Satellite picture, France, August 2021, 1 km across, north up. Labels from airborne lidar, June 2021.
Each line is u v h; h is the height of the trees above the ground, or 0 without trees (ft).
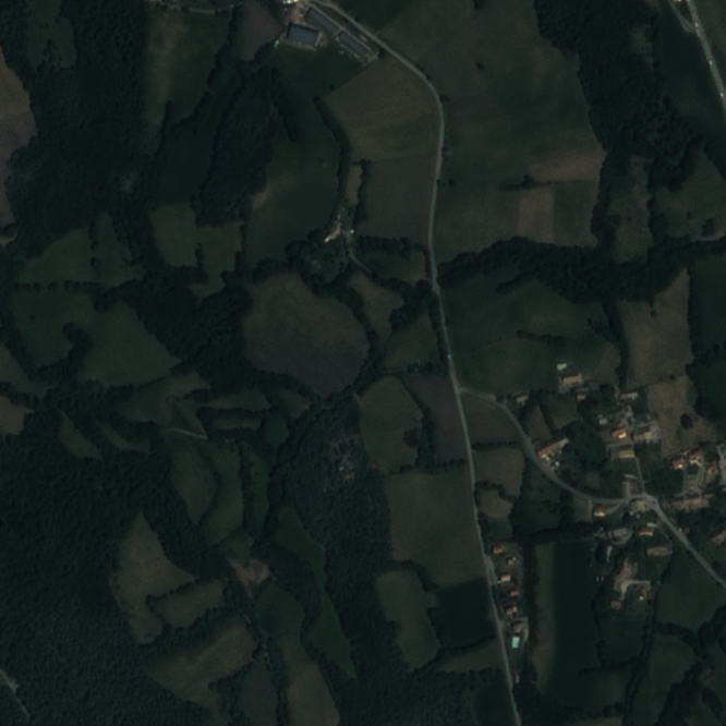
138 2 56
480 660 0
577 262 59
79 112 57
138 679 54
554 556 0
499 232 0
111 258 0
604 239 40
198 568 60
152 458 33
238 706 38
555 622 0
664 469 20
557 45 47
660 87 73
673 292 0
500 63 0
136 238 70
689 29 0
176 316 81
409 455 0
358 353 0
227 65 53
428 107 0
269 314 0
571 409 0
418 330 0
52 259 0
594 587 0
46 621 49
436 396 0
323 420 31
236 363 76
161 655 68
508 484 0
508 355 0
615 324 52
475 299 0
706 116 0
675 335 0
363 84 0
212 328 38
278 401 68
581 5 67
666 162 87
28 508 77
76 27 34
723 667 0
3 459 59
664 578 32
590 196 0
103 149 73
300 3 0
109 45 56
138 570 0
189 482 0
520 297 0
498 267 63
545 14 80
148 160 40
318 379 0
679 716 73
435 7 0
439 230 0
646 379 0
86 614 46
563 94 0
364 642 64
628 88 105
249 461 30
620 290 72
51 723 57
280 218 0
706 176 0
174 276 72
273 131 36
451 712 34
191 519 37
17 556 63
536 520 0
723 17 0
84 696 19
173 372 37
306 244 56
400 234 0
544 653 0
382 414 0
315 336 0
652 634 37
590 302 59
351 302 64
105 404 70
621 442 0
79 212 58
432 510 0
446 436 0
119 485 74
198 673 0
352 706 47
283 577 52
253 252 0
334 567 55
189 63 0
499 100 0
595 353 0
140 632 0
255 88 49
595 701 0
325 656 40
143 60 30
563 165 0
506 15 0
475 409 0
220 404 0
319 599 29
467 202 0
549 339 38
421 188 0
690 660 0
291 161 0
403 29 0
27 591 64
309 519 45
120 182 48
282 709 30
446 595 0
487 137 0
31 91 36
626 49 27
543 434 0
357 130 0
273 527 51
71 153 69
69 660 42
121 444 0
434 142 0
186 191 0
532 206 0
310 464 52
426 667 36
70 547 62
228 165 60
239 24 29
